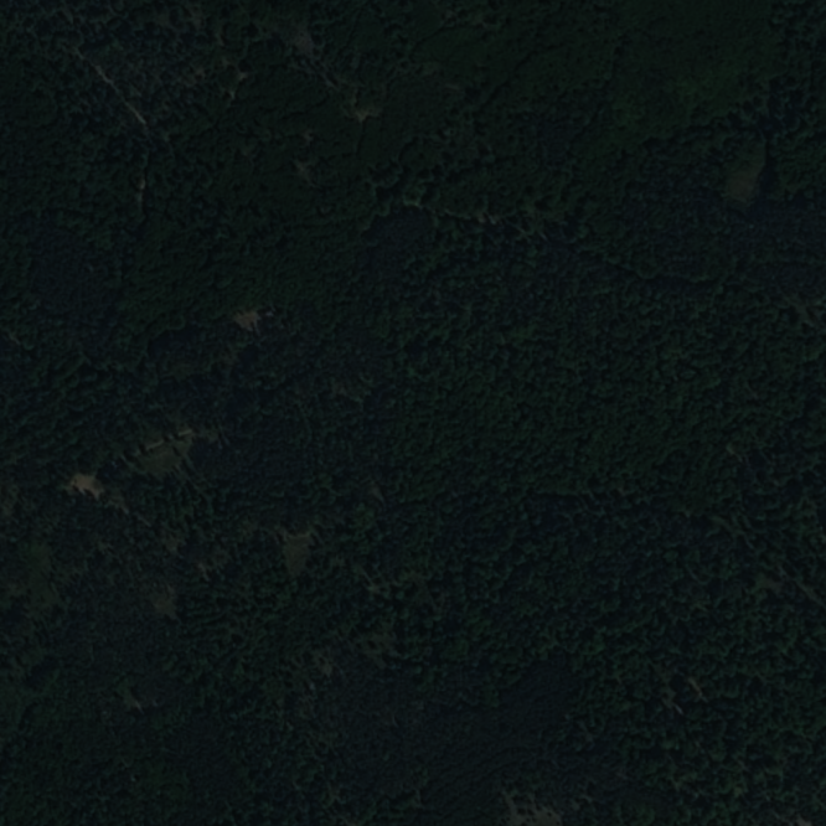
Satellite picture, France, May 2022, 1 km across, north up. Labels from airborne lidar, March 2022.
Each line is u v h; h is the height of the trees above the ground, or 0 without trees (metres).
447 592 23
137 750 22
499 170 19
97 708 21
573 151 20
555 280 32
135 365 14
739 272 25
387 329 22
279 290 25
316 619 8
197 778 30
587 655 18
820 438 31
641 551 31
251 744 20
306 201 12
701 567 37
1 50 13
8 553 27
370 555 7
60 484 20
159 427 29
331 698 19
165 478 0
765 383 29
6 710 23
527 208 9
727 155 26
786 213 27
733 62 23
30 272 25
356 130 8
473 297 28
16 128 22
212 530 23
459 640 24
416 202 16
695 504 29
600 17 17
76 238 29
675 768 24
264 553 26
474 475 29
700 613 29
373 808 24
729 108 22
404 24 7
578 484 25
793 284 30
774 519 28
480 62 7
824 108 11
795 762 16
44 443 26
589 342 31
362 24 7
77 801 19
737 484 34
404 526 23
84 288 26
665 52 26
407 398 27
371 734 28
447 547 27
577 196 18
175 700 24
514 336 26
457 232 12
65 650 24
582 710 21
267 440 28
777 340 31
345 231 19
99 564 27
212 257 17
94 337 28
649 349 31
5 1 30
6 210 23
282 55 13
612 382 28
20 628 26
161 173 14
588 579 26
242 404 34
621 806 22
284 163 8
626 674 27
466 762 23
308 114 12
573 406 30
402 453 28
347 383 26
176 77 21
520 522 28
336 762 23
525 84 22
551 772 18
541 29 17
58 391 21
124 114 26
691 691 32
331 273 25
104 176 21
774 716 34
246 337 23
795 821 9
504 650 24
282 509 27
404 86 9
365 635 23
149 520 24
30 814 22
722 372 30
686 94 21
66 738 19
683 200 24
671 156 29
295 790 24
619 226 23
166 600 21
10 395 25
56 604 0
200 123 12
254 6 15
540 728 20
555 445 32
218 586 23
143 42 26
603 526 30
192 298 24
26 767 22
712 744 26
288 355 28
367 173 10
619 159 26
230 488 24
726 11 22
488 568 25
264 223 11
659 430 31
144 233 23
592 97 18
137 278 25
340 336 25
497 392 30
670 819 22
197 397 26
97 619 24
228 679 17
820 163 22
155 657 24
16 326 26
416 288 29
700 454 31
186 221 12
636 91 21
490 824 12
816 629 33
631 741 23
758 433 27
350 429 27
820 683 36
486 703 22
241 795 26
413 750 26
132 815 26
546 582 29
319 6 9
